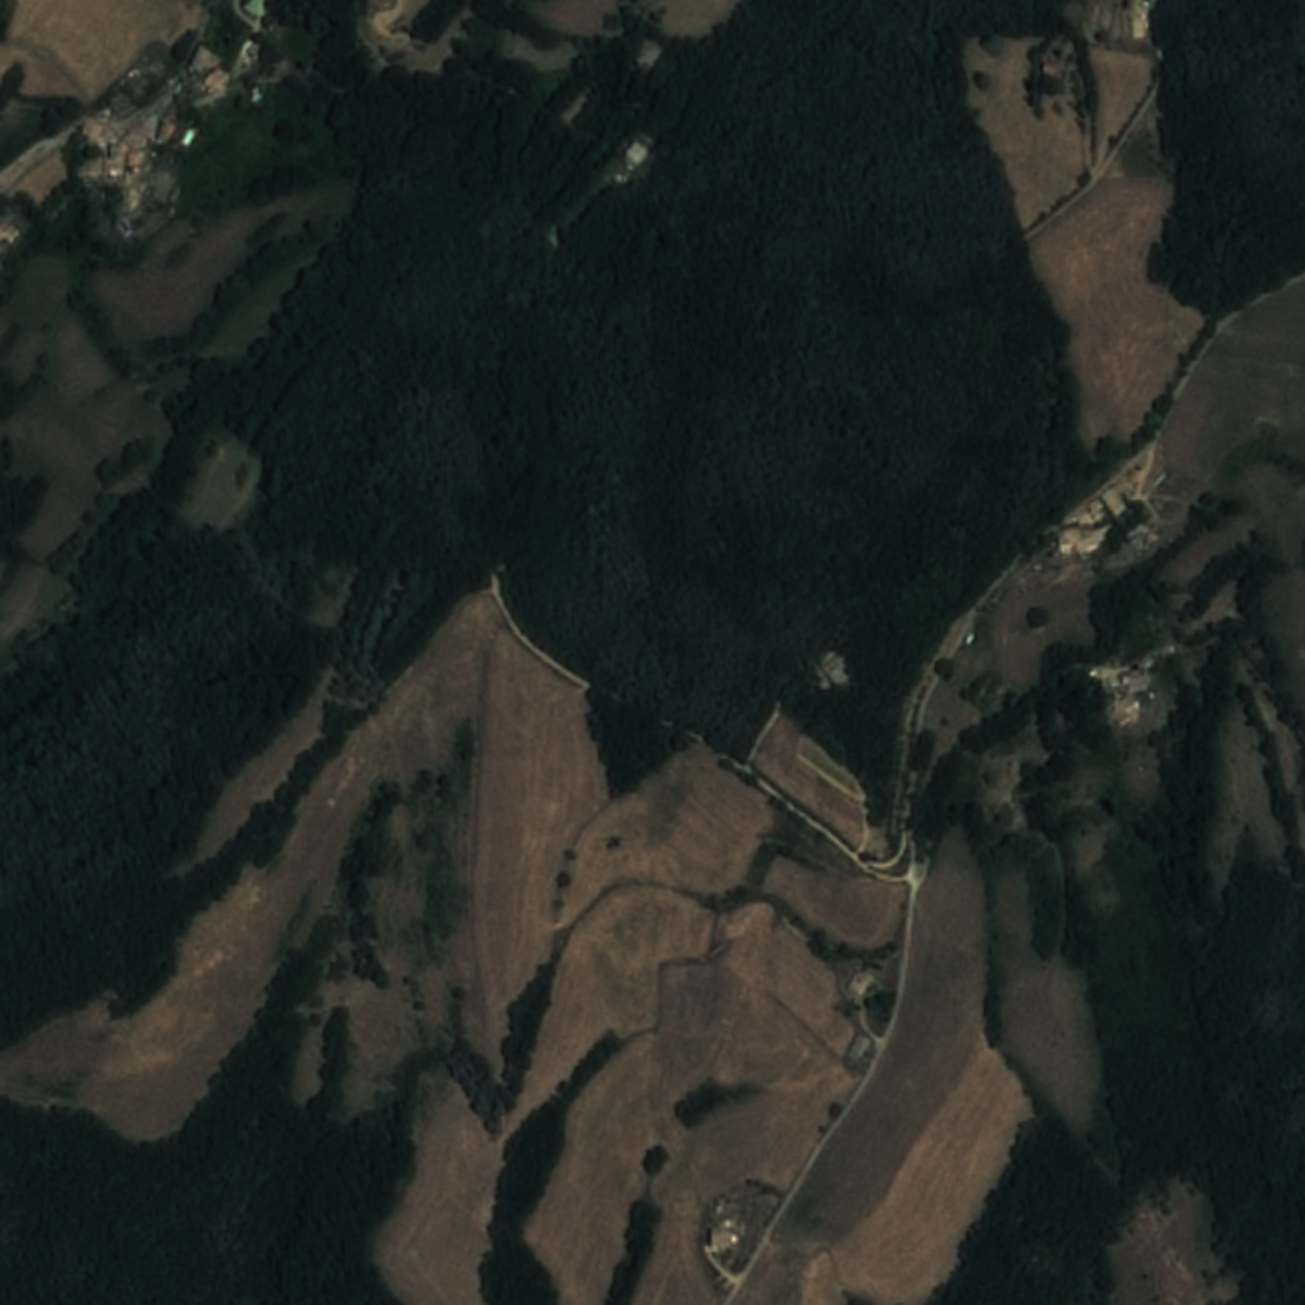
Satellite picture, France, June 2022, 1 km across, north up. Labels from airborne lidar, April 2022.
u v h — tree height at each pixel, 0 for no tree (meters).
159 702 18
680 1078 0
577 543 11
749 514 20
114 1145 14
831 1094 0
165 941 11
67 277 0
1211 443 0
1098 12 0
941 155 15
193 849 15
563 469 13
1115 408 0
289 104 0
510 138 12
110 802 24
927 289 17
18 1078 0
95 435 0
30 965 14
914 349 20
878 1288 0
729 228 18
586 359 16
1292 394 0
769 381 20
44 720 22
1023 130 0
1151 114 0
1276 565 10
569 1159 0
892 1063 0
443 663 0
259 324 0
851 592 16
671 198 18
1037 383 15
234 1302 15
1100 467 11
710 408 18
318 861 0
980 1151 0
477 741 0
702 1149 0
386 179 20
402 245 17
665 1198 0
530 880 0
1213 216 12
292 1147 16
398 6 0
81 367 0
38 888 23
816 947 6
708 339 14
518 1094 8
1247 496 0
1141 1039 7
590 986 0
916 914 0
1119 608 13
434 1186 0
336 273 25
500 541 12
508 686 0
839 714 10
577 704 0
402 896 0
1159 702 0
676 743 12
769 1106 0
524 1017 10
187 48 11
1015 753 0
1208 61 20
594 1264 0
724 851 0
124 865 21
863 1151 0
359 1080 0
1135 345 0
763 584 15
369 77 24
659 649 16
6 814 23
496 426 12
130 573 23
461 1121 0
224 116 0
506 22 18
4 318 0
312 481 17
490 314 13
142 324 0
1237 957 12
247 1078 18
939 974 0
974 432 20
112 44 0
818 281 18
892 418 19
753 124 18
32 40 0
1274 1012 15
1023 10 13
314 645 13
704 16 0
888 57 25
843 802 0
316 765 13
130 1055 0
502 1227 12
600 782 0
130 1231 17
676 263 20
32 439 0
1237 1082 17
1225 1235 12
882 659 12
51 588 0
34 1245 13
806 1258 0
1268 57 15
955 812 14
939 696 0
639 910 0
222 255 0
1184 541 8
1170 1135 15
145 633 22
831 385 20
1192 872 22
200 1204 14
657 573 13
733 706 12
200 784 16
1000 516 17
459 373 17
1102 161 0
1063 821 7
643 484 15
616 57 12
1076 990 0
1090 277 0
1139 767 0
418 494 23
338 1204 14
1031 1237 17
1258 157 14
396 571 11
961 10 15
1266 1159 19
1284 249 11
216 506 0
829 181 20
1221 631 18
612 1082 0
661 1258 0
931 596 18
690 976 0
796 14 18
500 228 19
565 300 15
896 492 19
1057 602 0
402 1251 0
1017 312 14
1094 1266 11
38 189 0
